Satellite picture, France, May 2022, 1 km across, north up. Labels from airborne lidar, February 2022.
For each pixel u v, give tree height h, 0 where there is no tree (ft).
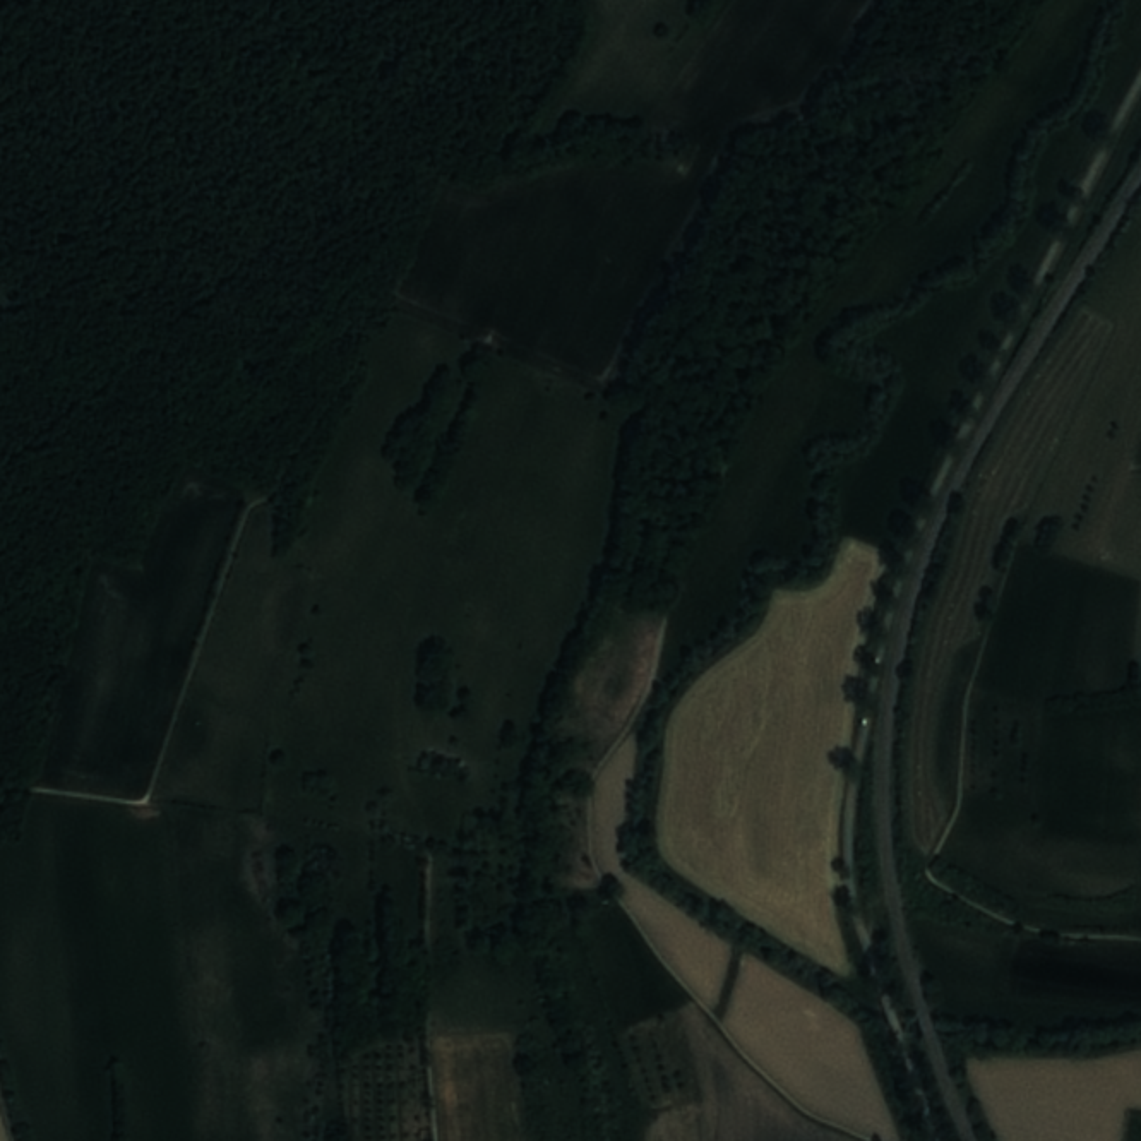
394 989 70
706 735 0
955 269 58
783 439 0
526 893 63
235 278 40
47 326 64
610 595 89
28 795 42
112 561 35
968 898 26
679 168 0
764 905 0
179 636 0
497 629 0
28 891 0
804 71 0
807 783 0
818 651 0
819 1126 0
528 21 76
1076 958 0
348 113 73
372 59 68
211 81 74
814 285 92
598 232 0
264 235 54
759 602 60
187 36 82
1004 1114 0
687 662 54
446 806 0
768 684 0
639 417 53
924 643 0
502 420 0
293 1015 0
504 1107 0
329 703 0
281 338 49
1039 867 0
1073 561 0
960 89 85
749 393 66
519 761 0
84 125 72
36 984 0
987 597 42
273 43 80
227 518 0
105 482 64
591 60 0
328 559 0
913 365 0
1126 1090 0
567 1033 49
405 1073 0
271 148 74
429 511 33
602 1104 24
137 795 0
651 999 0
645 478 72
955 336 0
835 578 0
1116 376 0
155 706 0
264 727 0
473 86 81
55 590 55
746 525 0
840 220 109
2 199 62
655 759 46
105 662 0
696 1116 0
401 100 66
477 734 0
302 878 43
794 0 0
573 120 54
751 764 0
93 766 0
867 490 0
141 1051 0
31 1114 0
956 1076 40
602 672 0
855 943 0
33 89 74
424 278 0
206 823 0
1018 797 0
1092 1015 0
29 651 55
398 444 38
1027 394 0
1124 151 0
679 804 0
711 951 0
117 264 66
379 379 0
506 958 32
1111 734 0
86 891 0
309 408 55
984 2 65
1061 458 0
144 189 77
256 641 0
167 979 0
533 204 0
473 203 0
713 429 88
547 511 0
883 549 0
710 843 0
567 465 0
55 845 0
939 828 0
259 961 0
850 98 73
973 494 0
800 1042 0
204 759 0
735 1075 0
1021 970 0
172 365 50
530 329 0
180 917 0
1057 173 0
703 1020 0
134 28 73
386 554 0
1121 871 0
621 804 0
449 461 45
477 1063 0
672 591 74
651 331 79
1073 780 0
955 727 0
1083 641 0
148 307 46
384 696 0
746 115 0
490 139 74
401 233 70
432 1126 0
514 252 0
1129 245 0
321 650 0
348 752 0
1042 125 50
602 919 0
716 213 66
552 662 0
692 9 49
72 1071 0
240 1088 0
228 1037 0
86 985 0
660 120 0
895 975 18
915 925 0
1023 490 0
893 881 0
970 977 0
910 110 92
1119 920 0
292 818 0
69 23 80
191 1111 0
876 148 102
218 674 0
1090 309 0
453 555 0
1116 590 0
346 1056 31
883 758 0
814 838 0
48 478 50
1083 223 0
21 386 54
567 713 0
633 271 0
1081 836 0
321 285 68
